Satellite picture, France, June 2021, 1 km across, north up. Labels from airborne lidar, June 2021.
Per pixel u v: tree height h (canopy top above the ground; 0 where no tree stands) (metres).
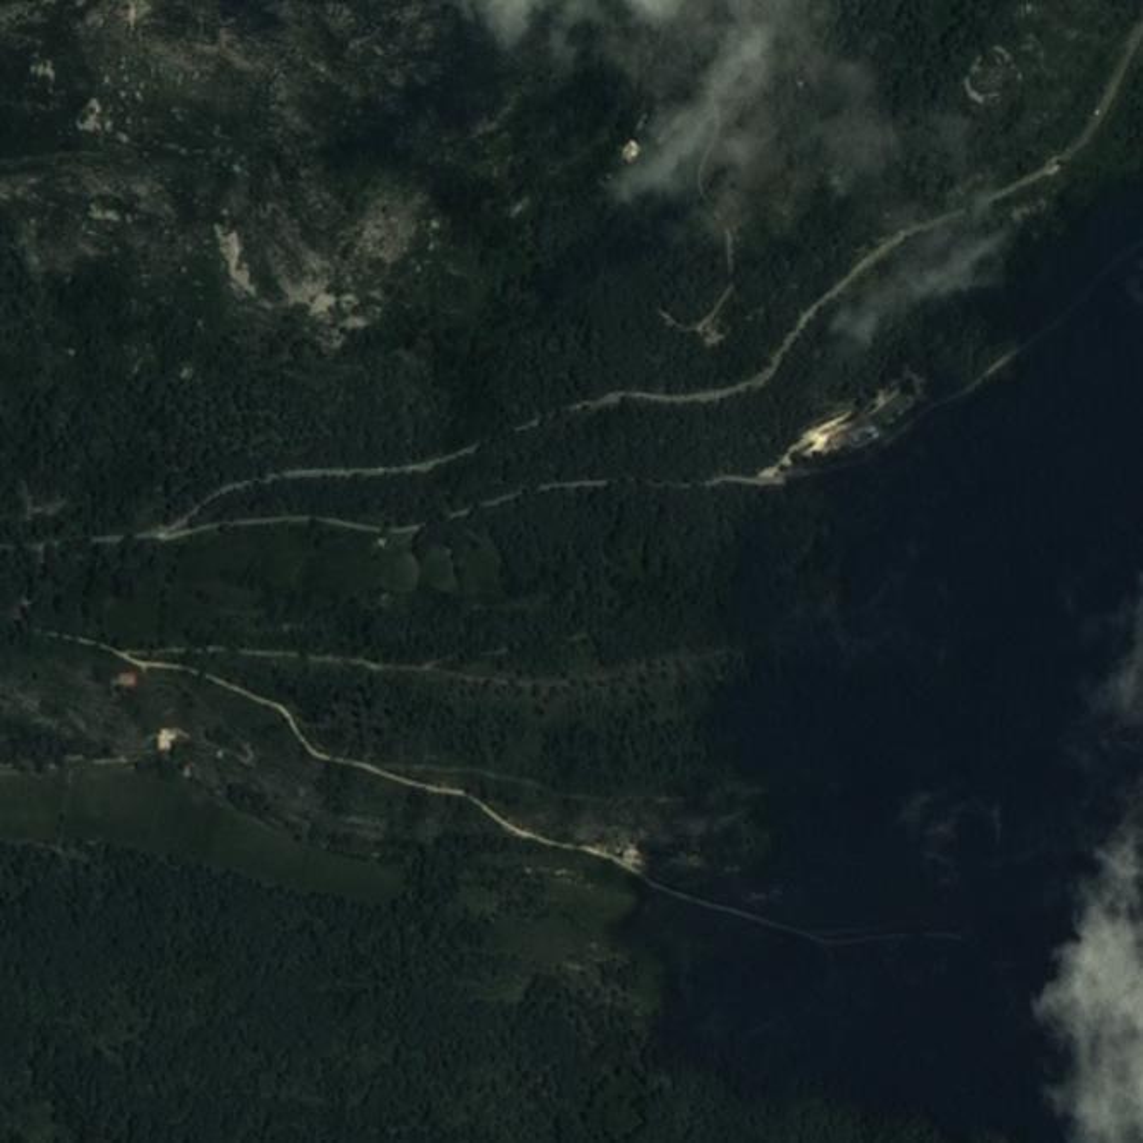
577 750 9
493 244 13
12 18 0
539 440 14
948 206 10
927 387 7
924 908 0
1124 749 0
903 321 12
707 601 10
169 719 0
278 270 0
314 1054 10
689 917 0
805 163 10
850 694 11
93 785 0
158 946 10
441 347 10
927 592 14
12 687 0
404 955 10
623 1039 7
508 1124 8
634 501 14
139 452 7
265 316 0
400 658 14
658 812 0
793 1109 13
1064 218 12
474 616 8
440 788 0
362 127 0
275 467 11
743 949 0
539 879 6
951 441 0
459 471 11
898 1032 11
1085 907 7
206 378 8
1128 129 5
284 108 6
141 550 13
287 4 0
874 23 14
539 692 12
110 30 0
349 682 6
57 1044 15
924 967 9
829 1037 9
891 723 11
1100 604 12
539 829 0
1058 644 14
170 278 0
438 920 6
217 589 0
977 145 14
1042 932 8
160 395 11
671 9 11
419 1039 7
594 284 17
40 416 13
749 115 11
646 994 0
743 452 8
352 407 9
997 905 0
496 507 8
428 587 8
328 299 0
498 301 10
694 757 10
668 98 11
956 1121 8
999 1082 10
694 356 9
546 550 16
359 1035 9
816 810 10
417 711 7
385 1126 9
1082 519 9
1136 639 12
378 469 9
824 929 0
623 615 13
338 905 10
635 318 10
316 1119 11
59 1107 14
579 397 10
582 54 9
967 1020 11
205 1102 14
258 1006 12
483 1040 10
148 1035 12
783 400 13
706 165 0
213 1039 10
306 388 7
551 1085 16
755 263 11
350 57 0
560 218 16
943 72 10
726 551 16
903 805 7
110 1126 10
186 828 0
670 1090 8
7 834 0
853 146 6
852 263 10
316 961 13
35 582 18
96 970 14
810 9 8
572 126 9
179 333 10
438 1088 9
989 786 15
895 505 16
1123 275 13
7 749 11
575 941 0
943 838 12
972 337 14
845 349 12
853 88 16
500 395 13
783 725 11
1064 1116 13
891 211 12
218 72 0
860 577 16
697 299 9
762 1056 7
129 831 0
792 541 18
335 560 0
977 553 15
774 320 12
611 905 0
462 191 10
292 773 0
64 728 0
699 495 13
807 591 12
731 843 11
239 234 0
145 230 0
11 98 7
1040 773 14
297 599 10
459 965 10
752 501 12
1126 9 12
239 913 14
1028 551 11
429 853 11
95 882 13
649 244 13
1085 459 10
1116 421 12
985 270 18
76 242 0
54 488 8
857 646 8
